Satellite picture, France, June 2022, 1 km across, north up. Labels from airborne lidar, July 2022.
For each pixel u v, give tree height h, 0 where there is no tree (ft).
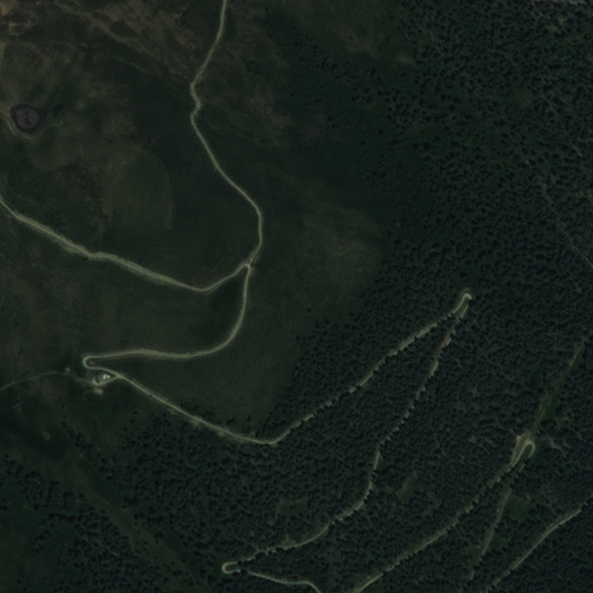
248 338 0
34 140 0
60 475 0
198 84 0
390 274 28
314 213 0
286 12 0
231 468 66
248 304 0
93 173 0
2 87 0
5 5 0
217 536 70
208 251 0
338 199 0
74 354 0
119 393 0
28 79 0
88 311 0
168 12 0
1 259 0
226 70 0
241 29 0
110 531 79
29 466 0
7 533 0
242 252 0
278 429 63
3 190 0
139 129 0
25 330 0
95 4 0
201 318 0
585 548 61
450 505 73
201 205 0
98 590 50
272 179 0
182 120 0
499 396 72
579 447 94
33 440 0
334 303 0
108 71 0
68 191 0
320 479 79
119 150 0
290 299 0
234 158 0
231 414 0
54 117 0
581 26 84
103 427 0
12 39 0
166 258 0
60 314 0
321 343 51
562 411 80
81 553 97
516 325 75
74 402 0
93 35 0
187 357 0
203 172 0
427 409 73
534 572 97
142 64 0
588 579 85
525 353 26
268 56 0
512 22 37
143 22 0
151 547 0
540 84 89
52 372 0
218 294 0
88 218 0
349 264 0
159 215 0
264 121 0
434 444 82
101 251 0
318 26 0
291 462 57
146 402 0
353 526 71
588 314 23
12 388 0
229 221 0
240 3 0
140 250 0
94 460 87
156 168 0
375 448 33
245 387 0
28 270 0
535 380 44
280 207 0
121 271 0
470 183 42
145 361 0
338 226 0
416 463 76
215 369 0
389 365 79
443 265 86
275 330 0
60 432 0
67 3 0
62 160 0
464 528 73
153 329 0
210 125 0
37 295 0
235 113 0
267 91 0
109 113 0
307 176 0
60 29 0
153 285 0
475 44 22
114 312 0
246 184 0
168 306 0
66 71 0
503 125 71
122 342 0
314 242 0
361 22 0
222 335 0
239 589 85
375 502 92
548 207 37
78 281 0
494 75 33
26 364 0
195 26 0
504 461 78
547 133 45
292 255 0
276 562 75
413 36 84
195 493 80
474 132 21
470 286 30
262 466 45
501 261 60
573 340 82
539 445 20
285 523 72
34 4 0
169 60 0
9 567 0
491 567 92
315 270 0
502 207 43
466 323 81
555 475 88
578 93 20
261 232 0
